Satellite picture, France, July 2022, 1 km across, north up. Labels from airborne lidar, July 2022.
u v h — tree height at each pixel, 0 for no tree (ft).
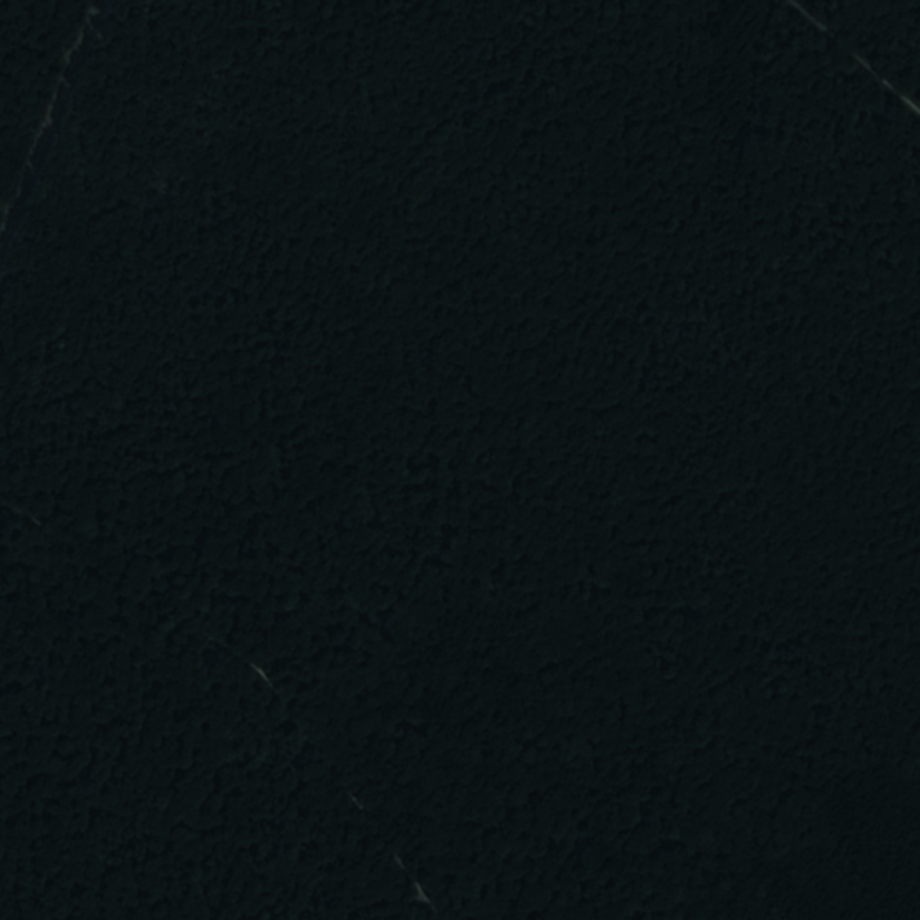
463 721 80
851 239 73
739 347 72
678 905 71
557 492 78
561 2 84
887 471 71
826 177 86
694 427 67
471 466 71
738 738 81
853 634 78
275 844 77
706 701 76
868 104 66
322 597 81
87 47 45
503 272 69
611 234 53
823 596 66
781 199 66
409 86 86
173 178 70
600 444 55
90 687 86
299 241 78
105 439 78
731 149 55
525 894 80
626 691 86
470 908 73
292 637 90
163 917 82
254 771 76
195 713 87
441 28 65
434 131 73
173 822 85
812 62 70
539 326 73
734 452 63
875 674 76
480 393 74
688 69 81
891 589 73
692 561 70
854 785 29
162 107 64
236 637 89
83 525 78
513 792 78
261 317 52
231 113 60
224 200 67
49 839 85
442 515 81
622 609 86
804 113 65
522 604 68
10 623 74
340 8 84
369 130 61
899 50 56
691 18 76
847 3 91
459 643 70
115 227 67
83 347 64
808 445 62
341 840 70
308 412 71
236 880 74
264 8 88
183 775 79
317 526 81
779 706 87
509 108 86
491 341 73
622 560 83
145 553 69
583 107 90
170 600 67
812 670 70
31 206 64
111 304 57
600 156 86
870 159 90
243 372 71
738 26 35
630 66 88
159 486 67
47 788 65
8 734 77
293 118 73
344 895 52
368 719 88
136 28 72
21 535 91
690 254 76
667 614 89
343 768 83
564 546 81
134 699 91
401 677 68
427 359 66
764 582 83
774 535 73
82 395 84
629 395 83
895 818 30
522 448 81
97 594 96
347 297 73
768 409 75
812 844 20
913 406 79
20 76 73
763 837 69
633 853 80
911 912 30
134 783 84
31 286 81
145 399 75
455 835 78
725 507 61
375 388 64
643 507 70
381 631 82
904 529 78
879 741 68
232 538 69
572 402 61
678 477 70
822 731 89
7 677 39
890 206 82
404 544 80
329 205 53
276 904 72
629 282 69
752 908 57
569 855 76
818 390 73
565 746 84
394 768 66
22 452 92
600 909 84
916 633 86
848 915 30
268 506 87
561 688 77
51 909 73
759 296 77
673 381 69
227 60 66
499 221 74
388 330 75
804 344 73
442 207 68
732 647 67
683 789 80
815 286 67
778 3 69
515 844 74
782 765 67
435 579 74
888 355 69
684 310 56
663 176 80
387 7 73
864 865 23
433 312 76
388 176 52
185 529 87
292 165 77
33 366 71
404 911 65
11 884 74
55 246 80
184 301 69
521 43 72
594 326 73
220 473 70
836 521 68
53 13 83
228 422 91
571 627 87
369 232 72
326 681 80
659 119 83
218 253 61
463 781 84
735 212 79
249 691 78
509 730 85
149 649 81
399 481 54
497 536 85
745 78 28
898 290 73
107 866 23
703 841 73
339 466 70
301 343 73
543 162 97
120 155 62
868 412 73
